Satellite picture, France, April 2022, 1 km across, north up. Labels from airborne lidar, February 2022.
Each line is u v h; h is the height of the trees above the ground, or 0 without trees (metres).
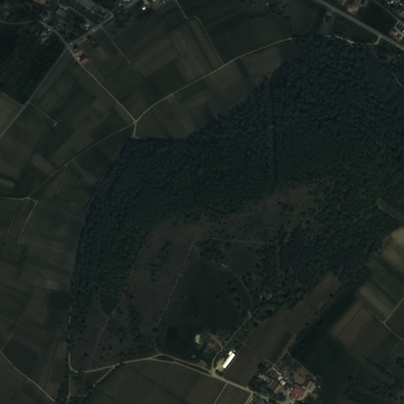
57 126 0
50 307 0
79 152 0
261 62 0
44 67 0
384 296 0
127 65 0
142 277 0
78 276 10
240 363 0
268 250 8
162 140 0
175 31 0
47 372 0
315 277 11
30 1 14
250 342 0
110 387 0
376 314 0
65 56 0
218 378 0
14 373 0
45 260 0
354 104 20
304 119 23
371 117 18
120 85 0
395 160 20
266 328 0
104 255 16
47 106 0
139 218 19
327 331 0
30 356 0
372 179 14
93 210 17
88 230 8
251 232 0
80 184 0
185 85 0
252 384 10
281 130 21
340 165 11
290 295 11
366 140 20
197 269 0
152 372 0
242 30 0
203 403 0
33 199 0
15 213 0
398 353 0
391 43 0
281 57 0
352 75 17
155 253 0
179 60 0
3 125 0
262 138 23
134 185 17
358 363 0
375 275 0
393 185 9
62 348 0
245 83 0
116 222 10
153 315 0
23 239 0
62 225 0
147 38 0
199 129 0
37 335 0
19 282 0
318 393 0
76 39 8
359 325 0
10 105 0
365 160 12
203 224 0
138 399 0
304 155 19
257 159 24
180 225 0
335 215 9
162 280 0
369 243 15
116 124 0
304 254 14
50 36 0
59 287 0
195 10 0
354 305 0
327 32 0
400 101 24
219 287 0
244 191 12
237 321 0
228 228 0
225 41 0
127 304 0
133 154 18
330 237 9
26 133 0
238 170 21
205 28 0
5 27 0
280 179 13
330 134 22
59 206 0
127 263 12
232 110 0
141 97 0
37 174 0
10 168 0
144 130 0
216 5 0
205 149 22
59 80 0
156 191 19
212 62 0
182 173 26
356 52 20
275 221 0
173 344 0
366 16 0
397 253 0
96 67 0
